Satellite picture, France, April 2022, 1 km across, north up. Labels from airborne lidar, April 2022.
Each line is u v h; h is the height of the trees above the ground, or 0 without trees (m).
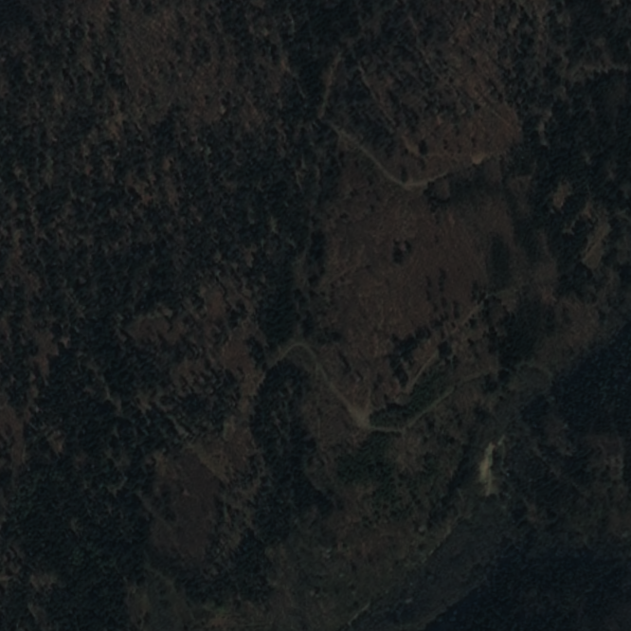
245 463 11
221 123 31
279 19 32
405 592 18
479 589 14
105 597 35
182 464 11
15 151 30
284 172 34
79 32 16
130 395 26
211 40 27
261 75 29
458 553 24
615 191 34
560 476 19
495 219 23
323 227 13
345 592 21
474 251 18
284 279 31
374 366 12
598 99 26
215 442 9
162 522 19
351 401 8
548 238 25
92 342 36
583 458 18
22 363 35
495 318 15
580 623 25
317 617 11
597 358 28
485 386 18
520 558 22
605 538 24
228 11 37
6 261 33
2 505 27
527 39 27
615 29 21
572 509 21
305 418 17
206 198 28
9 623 31
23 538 34
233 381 37
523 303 25
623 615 25
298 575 25
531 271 21
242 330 34
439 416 12
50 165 26
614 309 15
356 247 13
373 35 17
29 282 36
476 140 16
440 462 8
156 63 32
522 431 11
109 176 27
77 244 32
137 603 19
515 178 24
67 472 29
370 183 12
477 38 24
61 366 31
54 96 23
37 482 33
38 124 27
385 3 32
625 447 14
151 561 25
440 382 8
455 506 19
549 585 20
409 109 9
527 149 25
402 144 12
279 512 37
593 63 15
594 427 21
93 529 36
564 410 15
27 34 16
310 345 9
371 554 14
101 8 25
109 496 34
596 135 31
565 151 28
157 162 30
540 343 22
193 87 31
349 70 21
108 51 23
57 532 34
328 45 27
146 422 36
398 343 11
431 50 6
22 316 36
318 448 36
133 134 29
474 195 22
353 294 9
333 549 19
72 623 35
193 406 34
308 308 17
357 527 13
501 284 21
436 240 17
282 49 31
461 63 7
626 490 19
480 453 16
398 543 14
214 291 32
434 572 16
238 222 34
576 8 19
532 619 23
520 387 14
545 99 21
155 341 38
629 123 25
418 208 13
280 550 31
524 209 25
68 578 32
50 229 6
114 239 34
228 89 28
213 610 17
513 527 24
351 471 8
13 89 26
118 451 32
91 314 27
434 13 7
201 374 8
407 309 13
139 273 35
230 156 33
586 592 24
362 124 35
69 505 35
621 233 28
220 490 11
